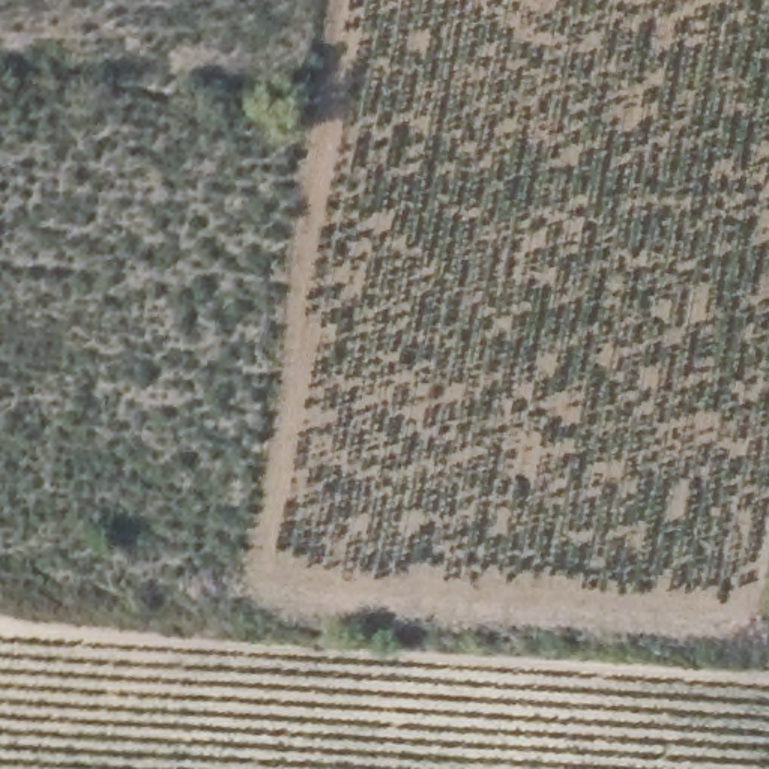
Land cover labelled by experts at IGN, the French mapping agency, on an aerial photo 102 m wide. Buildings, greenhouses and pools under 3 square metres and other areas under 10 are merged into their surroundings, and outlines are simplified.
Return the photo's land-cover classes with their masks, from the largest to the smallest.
<instances>
[{"label":"vineyard","instance_id":"1","mask_svg":"<svg viewBox=\"0 0 769 769\"><path fill-rule=\"evenodd\" d=\"M351 6L363 9V18H348L345 30H363L357 60L369 69L360 84L357 102L342 105L330 117L339 120L342 129L330 180V198L324 210V228L318 234L312 288L306 297V315H315L321 324H336V342H318V360L309 372V385L321 388L324 397H306L303 406L333 409L336 421L306 427L297 436L288 502L282 508V529L276 547L309 559V565L342 571L345 583L357 571L375 577H397L406 574L412 565H439L445 571V580L469 583L481 580L487 568H496L508 580H517L520 574H565L580 577L586 589H610L616 583L622 595L652 592L655 586L676 592L715 589L718 601H730V580L739 571V565L757 562L769 517V0H351ZM309 628H318V640H309L303 646L198 637H165L150 631L81 628L0 616V769H769V595L763 598L760 613L751 616L742 631L721 640H673L661 634L619 631H607L595 640L586 631L574 628L532 625H499L496 631H454L436 625V619L406 622L388 610H357L345 616L315 613L303 622Z\"/></svg>","mask_w":769,"mask_h":769},{"label":"brushwood","instance_id":"2","mask_svg":"<svg viewBox=\"0 0 769 769\"><path fill-rule=\"evenodd\" d=\"M330 0H177V6L171 9L117 6L111 12V18L123 27H141L153 21L165 27L186 24V30L174 36L144 33V57H132L126 51L123 36H105L96 42L45 39L24 51H9L0 39V150L12 153L21 150L27 141L51 144L60 162L69 159L75 165V180L90 186V195L42 189L36 207H18L12 219L3 222V207L9 195L30 198L36 171L33 159H24L18 165H0V556H33L45 574L63 583V598H78V586H99L108 595L114 592V586H126L135 592V598H141L144 586L156 583L162 589L159 613L189 619L198 637L303 646L309 640H318V628H309L303 622H285L273 610L258 607L252 598L228 595V577H240L246 571L243 553L249 550V532L255 529L264 505V472L270 439L276 433V397L282 388L285 357V324L276 321V306L288 297V255L249 246V252L231 255L213 237H207L201 243V252H207L234 273V288L222 291L216 276H198L186 288H180L147 279L150 267H171L180 261L177 225L186 222V201H141L144 216L153 219L156 231L162 234V243L153 246L141 243L123 225H102L96 237H72L57 228H45V219L60 216L75 225L93 222L99 195L114 186L108 174L90 171L87 165L93 159H102L105 150H114L120 141L129 138H135V147L129 150V156L147 159L162 174L165 189H195L198 180L192 171H186L183 162H204L198 135H204L210 141H231L228 153L219 159L213 171L210 186L204 189V204L213 207V213L219 216L222 231H255L273 240L291 237L294 219L306 213V195L297 183V168L306 159L309 129L297 123L291 129L264 132L258 120L246 117L243 111V96L249 90L258 87L267 93L270 84H294L291 69L318 66V54L309 51V45L324 42ZM180 45H204L219 51H234L240 45L249 51V63L240 72H228L222 66L171 69V51H177ZM156 297H165L174 306L186 339L201 336L198 306L210 303L219 330V357L201 363L195 351L174 348L168 357L153 363V351L162 348L168 339L165 333L153 336L150 342H129V333H144V324H162V315L129 318V306H144V300ZM126 378L141 388H204L207 394L183 406L159 409H144L141 403L129 400V415L135 418L120 421V391L96 397V381ZM237 391H249L252 400L261 403V427L246 424L237 427L234 436L210 430V418L246 415L243 406L234 403Z\"/></svg>","mask_w":769,"mask_h":769},{"label":"plowed land","instance_id":"3","mask_svg":"<svg viewBox=\"0 0 769 769\"><path fill-rule=\"evenodd\" d=\"M348 18H363V9L351 6V0H330L324 42L309 45V51L318 54V66L291 69L294 84H300L303 90L297 96V123L309 129L306 159L297 168V183L306 195V213L294 219L288 255V297L276 306V321L285 324V357L282 388L276 397V433L270 439L264 472V505L255 529L249 532V550L243 553L246 571L240 577H228V595L252 598L258 607L273 610L285 622H303L315 613L345 616L357 610H388L406 622L436 619V625L454 631H496L499 625H532L574 628L586 631L595 640L607 631H619L661 634L673 640H721L742 631L751 616L760 613L763 598L769 595V517L757 562L739 565V571L730 580V601H718L715 589L676 592L655 586L652 592L622 595L616 583L610 589H586L580 577L565 574H520L517 580H508L496 568H487L481 580L469 583L445 580V571L439 565H412L406 574L397 577H375L357 571L345 583L342 571L309 565V559L276 547L282 529V508L288 502L297 436L306 427L336 421L333 409L303 406L306 397H324L321 388L309 385V372L318 360V342H336V324H321L315 315H306V297L312 288L318 234L324 228V210L330 198V180L342 129L339 120L330 117L342 105L357 102L360 84L369 69L357 60L363 30H345Z\"/></svg>","mask_w":769,"mask_h":769},{"label":"herbaceous vegetation","instance_id":"4","mask_svg":"<svg viewBox=\"0 0 769 769\"><path fill-rule=\"evenodd\" d=\"M117 6L171 9L177 6V0H0V39L9 51H24L45 39L96 42L105 36H123L126 51L132 57H144V33L174 36L186 30V24L165 27L153 21L141 27H123L111 18V12ZM249 63V51L240 45L234 51H219L204 45H180L177 51H171V69L222 66L228 72H240ZM135 147V138H129L120 141L114 150H105L102 159H93L87 165L90 171L108 174L114 186L99 195L93 222L75 225L60 216L45 219V228H57L72 237H96L102 225H123L141 243L153 246L162 243V234L156 231L153 219L144 216L141 201H186V222L177 225L180 261L171 267H150L147 279L180 288H186L198 276H216L222 291L234 288V273L207 252H201V243L207 237H213L231 255L249 252V246L288 255L291 237L273 240L255 231H222L219 216L213 213V207L204 204V189L210 186L213 171L219 159L228 153L231 141H210L204 135H198L204 162H183L186 171H192L198 180L195 189H165L162 174L147 159L129 156V150ZM24 159H33L36 171L30 198L9 195L3 207V222L12 219L18 207H36L42 189L90 195V186L75 180V165L69 159L60 162L51 144L27 141L21 150L12 153L0 150V165H18ZM162 315V324H144V333H129V342H150L153 336L165 333L168 339L162 348L153 351V363L168 357L174 348L195 351L201 363L219 357V330L210 303L198 306L201 336L186 339L174 306L165 297H156L144 300V306H129V318ZM120 391V421L135 418L129 415V400L141 403L144 409H159L183 406L207 394L204 388H141L126 378L96 381V397ZM234 403L243 406L246 415L210 418V430L234 436L237 427L246 424L261 427V403L252 400L249 391H237Z\"/></svg>","mask_w":769,"mask_h":769},{"label":"deciduous trees","instance_id":"5","mask_svg":"<svg viewBox=\"0 0 769 769\"><path fill-rule=\"evenodd\" d=\"M303 90L300 84H270L267 93L258 87L249 90L243 96V111L246 117L258 120L264 132L291 129L297 123V96ZM162 589L156 583L144 586L141 598H135V592L126 586H114V592L108 595L99 586H78V598H63V583L45 574L33 556H0V616L81 628L150 631L165 637H198L189 619L159 613Z\"/></svg>","mask_w":769,"mask_h":769}]
</instances>
